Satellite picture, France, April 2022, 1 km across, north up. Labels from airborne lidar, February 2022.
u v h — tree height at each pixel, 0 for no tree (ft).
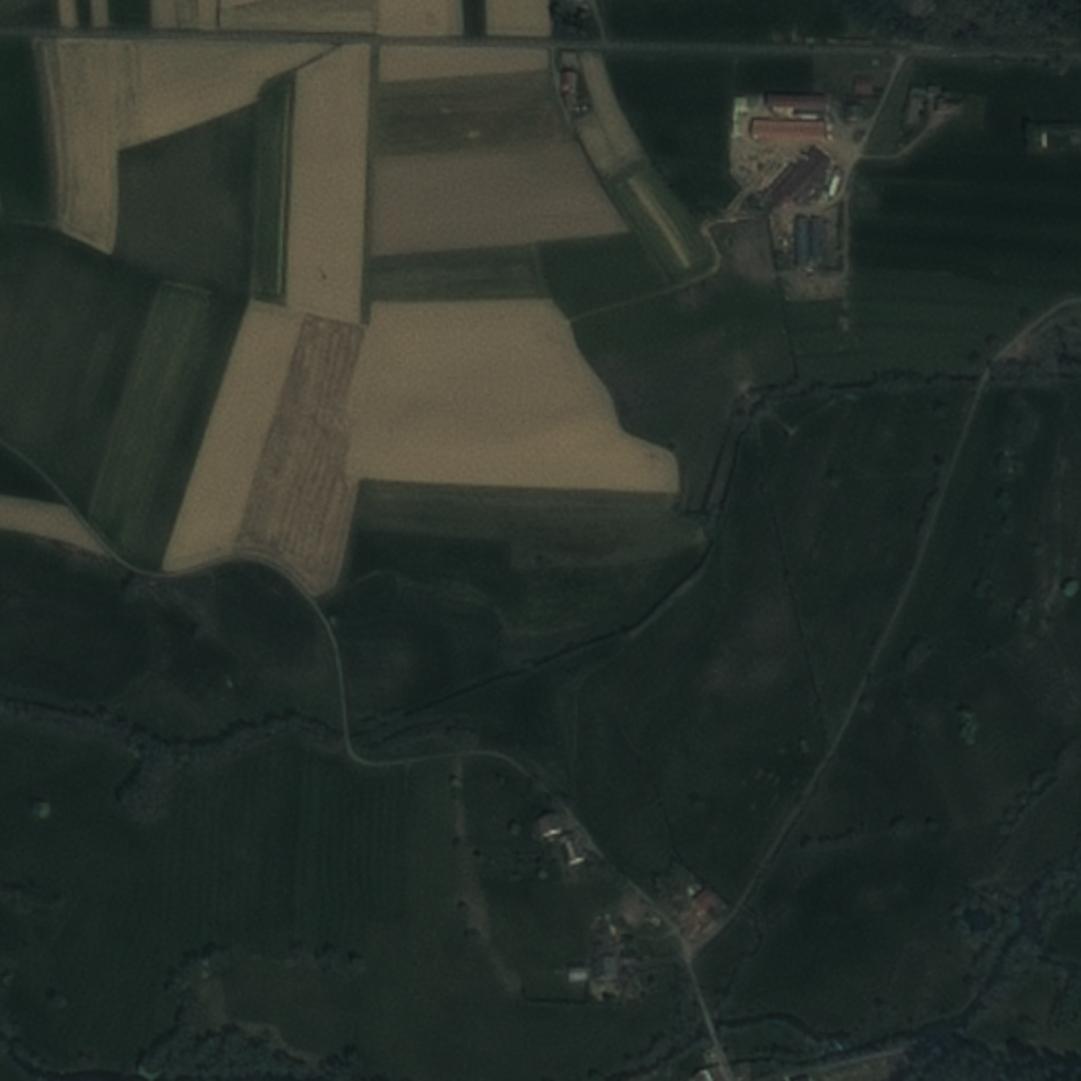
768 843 0
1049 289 0
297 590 0
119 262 0
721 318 0
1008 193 0
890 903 0
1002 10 62
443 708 0
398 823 0
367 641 0
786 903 0
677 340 0
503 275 0
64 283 0
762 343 0
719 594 0
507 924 0
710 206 0
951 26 58
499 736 0
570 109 0
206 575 0
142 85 0
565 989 0
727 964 0
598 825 0
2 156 0
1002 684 0
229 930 0
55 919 0
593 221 0
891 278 0
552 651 0
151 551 0
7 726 0
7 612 0
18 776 0
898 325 0
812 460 0
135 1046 0
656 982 37
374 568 0
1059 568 0
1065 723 0
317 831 0
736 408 0
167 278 0
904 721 0
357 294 0
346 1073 76
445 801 0
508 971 0
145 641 0
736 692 0
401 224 0
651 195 0
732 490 0
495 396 0
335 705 0
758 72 0
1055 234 0
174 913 0
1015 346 0
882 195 0
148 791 76
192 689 0
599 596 0
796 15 0
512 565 0
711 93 0
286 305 0
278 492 0
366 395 0
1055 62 53
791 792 0
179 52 0
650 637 0
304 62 0
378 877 0
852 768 0
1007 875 0
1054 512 0
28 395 0
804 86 0
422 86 0
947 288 0
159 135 0
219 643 0
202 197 0
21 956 0
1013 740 0
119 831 0
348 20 0
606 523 0
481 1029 0
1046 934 28
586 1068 0
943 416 46
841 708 0
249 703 0
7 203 0
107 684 0
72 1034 0
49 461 0
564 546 0
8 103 0
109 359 0
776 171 0
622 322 0
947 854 0
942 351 0
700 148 0
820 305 0
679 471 0
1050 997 0
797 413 0
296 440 0
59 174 0
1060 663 0
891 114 0
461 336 0
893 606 0
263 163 0
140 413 0
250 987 0
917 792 0
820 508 0
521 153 0
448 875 0
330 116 0
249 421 0
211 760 46
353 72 0
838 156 0
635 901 0
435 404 0
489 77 0
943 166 0
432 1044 0
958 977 0
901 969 0
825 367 0
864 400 0
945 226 0
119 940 0
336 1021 0
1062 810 0
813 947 0
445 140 0
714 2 0
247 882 0
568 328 0
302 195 0
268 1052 63
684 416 0
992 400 0
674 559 0
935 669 0
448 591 0
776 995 0
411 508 0
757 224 0
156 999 0
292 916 0
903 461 0
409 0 0
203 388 0
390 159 0
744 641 0
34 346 0
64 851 0
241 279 0
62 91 0
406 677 0
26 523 0
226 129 0
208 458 0
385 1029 0
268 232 0
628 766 0
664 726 0
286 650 0
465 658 0
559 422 0
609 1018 0
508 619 0
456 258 0
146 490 0
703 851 0
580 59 0
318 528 0
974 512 0
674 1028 0
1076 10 35
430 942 0
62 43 0
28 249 0
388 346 0
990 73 0
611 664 0
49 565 0
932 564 0
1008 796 0
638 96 0
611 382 0
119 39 0
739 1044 0
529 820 0
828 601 0
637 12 0
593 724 0
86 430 0
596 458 0
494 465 0
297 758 0
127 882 0
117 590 0
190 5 0
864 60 0
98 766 0
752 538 0
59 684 0
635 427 0
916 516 0
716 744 0
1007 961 39
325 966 34
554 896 0
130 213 0
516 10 0
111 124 0
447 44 0
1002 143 0
